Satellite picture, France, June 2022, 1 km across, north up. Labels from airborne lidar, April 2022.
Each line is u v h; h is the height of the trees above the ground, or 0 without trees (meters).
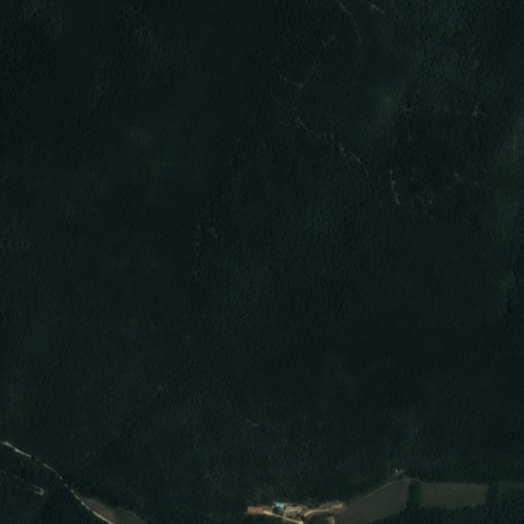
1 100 18
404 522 9
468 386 6
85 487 22
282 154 11
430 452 6
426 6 9
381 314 9
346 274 9
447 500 0
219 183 14
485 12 14
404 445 10
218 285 8
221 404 7
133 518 0
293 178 11
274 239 11
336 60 11
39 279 7
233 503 6
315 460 7
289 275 11
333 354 7
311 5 13
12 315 8
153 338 6
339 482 6
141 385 9
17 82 16
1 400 7
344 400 7
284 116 9
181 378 10
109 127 9
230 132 10
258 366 9
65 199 6
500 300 7
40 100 8
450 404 7
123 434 9
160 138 8
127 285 8
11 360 7
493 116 10
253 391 7
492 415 8
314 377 6
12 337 6
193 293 13
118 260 8
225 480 9
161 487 5
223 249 9
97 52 8
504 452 8
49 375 7
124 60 14
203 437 7
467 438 10
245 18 10
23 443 8
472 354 14
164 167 5
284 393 7
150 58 12
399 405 9
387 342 10
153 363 8
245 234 10
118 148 8
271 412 6
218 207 12
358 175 7
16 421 6
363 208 13
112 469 7
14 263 8
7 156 11
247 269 9
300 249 8
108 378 7
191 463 6
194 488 6
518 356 13
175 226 10
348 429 7
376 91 9
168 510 7
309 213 7
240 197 8
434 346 8
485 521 9
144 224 9
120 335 7
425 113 7
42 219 8
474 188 11
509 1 13
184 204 11
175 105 8
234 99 12
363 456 6
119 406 6
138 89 10
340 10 8
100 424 6
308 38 13
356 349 8
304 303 10
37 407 11
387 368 7
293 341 11
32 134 9
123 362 7
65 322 7
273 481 7
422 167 10
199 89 9
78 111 12
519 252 12
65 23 7
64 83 9
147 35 14
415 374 8
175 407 9
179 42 11
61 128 11
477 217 12
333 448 7
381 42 5
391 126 7
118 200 8
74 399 6
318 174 7
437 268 8
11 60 18
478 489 0
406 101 9
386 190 8
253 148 11
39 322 6
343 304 10
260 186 11
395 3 5
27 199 11
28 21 14
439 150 12
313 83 7
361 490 9
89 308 10
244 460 7
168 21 12
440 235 8
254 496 7
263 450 7
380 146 8
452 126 11
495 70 11
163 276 7
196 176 7
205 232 16
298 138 10
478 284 12
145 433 7
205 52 7
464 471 6
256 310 9
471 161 6
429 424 10
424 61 9
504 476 9
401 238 8
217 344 11
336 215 8
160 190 8
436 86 7
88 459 9
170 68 15
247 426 7
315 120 12
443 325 10
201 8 9
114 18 13
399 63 7
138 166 7
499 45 11
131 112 9
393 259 9
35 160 6
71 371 8
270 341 10
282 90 9
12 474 8
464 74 12
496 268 13
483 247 10
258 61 15
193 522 9
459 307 10
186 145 7
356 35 7
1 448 11
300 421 7
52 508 13
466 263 9
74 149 14
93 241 9
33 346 8
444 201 11
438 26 10
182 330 7
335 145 10
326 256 9
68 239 6
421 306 9
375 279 8
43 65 15
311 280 9
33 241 7
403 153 11
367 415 7
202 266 13
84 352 7
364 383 6
